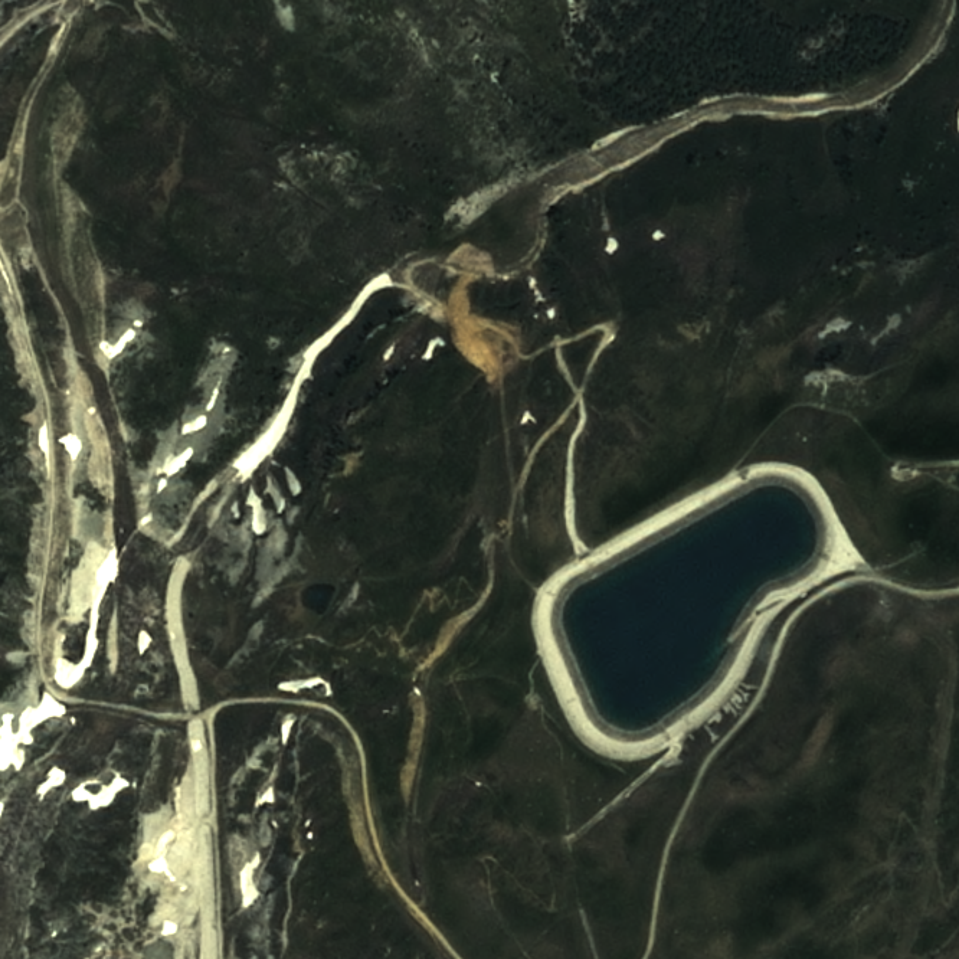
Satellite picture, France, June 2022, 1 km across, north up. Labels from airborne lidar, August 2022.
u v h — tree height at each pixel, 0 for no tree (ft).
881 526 0
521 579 0
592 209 0
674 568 0
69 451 0
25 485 0
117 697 0
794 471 0
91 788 0
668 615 0
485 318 0
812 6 0
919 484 0
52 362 0
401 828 0
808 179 0
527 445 0
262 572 0
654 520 0
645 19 47
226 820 0
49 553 0
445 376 0
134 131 0
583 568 0
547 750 0
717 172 0
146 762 0
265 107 0
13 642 0
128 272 0
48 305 0
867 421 0
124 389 0
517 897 0
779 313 0
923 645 0
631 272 0
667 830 0
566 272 0
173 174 0
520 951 0
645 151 0
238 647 0
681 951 0
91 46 0
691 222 0
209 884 0
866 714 0
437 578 0
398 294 0
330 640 0
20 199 0
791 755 0
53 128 0
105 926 0
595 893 0
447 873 0
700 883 0
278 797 0
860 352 0
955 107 0
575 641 0
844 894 0
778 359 0
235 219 0
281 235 0
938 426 0
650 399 0
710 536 0
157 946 0
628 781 0
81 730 0
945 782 0
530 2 0
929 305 0
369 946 0
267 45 0
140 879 0
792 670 0
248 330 0
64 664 0
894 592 0
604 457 0
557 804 0
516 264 0
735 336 0
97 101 0
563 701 0
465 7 0
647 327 0
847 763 0
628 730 0
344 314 0
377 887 0
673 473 0
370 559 0
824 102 0
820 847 0
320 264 0
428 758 0
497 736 0
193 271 0
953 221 0
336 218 0
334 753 0
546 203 0
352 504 0
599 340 0
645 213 0
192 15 0
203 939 0
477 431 0
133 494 0
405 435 0
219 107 0
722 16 50
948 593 0
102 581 0
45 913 0
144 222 0
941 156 0
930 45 0
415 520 0
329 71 0
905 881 0
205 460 0
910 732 0
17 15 0
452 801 0
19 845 0
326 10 0
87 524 0
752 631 0
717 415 0
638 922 0
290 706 0
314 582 0
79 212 0
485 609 0
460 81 0
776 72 43
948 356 0
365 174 0
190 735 0
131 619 0
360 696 0
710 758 0
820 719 0
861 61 47
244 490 0
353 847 0
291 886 0
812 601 0
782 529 0
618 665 0
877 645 0
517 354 0
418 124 0
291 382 0
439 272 0
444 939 0
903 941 0
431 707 0
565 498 0
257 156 0
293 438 0
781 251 0
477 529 0
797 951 0
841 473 0
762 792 0
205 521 0
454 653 0
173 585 0
